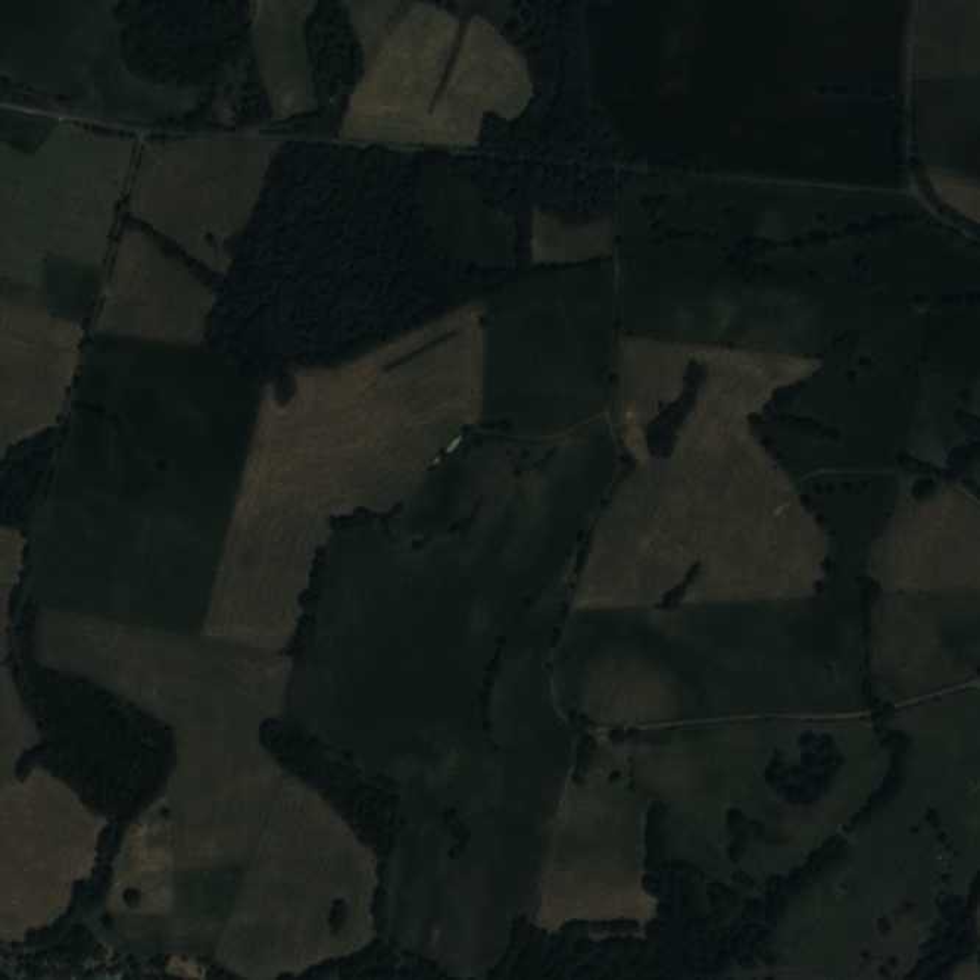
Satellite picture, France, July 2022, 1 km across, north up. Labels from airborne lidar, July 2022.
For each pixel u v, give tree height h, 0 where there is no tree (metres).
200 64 11
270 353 17
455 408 0
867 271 14
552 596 0
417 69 0
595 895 0
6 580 0
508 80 0
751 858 0
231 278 12
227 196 0
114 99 0
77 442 0
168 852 0
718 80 0
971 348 0
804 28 0
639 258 0
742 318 0
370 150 8
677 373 0
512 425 12
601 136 22
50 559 0
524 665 0
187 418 0
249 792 0
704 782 0
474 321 0
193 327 0
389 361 0
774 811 0
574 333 0
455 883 0
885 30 0
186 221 0
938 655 0
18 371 0
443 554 0
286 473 0
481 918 0
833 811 0
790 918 0
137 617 0
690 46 0
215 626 0
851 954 0
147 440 0
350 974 18
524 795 0
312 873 0
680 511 0
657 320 0
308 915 0
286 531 0
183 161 0
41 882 0
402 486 0
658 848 19
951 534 0
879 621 0
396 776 0
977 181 0
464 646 0
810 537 0
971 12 0
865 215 0
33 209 0
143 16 8
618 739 14
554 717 0
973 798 0
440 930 0
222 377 0
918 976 11
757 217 0
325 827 0
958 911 10
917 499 13
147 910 0
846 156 0
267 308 14
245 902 0
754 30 0
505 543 0
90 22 0
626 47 0
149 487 0
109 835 13
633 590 0
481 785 0
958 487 0
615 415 0
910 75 0
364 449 0
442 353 0
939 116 0
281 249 8
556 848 0
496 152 14
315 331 13
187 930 0
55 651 0
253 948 0
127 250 0
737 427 0
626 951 17
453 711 0
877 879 0
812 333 0
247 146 0
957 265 0
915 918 0
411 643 0
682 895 12
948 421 0
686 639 0
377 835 10
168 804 0
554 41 16
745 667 0
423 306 7
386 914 12
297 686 0
